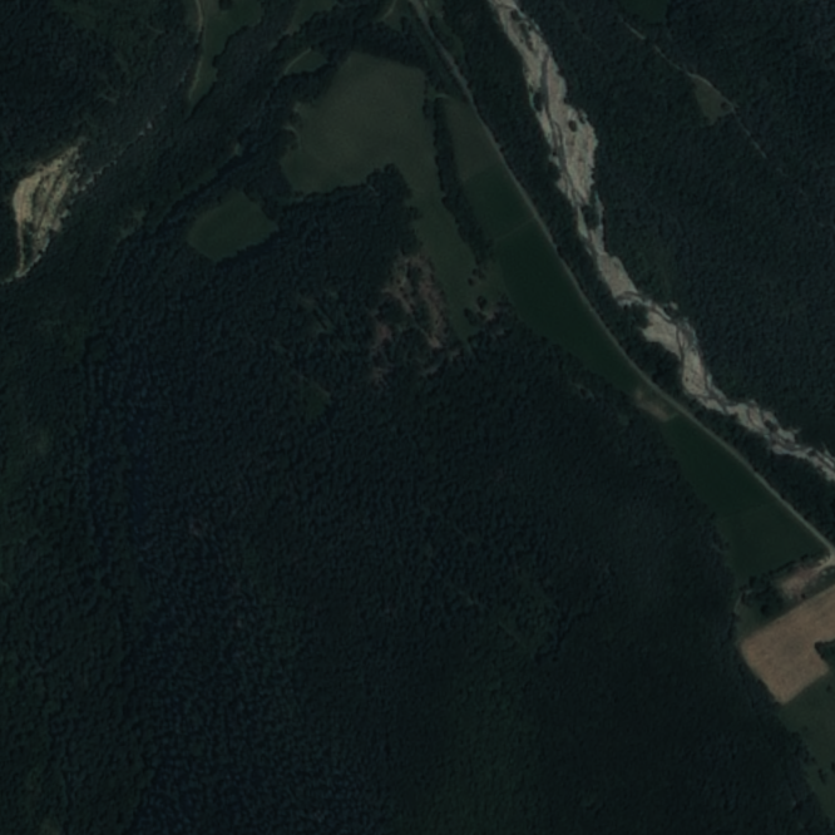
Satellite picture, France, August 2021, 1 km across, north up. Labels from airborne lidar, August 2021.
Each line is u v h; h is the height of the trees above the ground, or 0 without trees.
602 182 6
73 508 19
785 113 8
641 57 7
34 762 10
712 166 7
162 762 14
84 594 30
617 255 7
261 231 0
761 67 13
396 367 16
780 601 6
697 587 22
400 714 26
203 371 27
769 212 8
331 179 0
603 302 20
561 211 17
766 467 17
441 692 20
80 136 10
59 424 18
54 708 29
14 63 13
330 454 28
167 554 29
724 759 27
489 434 24
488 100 19
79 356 6
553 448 27
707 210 9
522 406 26
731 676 19
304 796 12
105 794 25
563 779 20
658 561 15
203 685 15
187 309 27
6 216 19
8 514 18
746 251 11
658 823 24
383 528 27
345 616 26
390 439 26
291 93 16
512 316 18
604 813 23
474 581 23
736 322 11
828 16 13
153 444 30
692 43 14
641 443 15
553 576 21
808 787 11
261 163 25
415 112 0
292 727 10
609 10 13
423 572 19
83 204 11
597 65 11
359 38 21
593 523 20
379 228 18
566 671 27
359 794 17
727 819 25
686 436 0
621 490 21
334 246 23
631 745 19
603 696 20
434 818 13
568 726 24
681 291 7
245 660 18
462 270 0
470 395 25
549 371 20
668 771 22
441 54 13
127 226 10
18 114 23
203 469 28
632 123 10
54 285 20
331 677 24
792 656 0
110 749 28
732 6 12
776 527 0
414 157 0
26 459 13
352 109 0
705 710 21
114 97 8
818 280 12
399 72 0
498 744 17
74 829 26
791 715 0
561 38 12
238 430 31
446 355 17
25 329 13
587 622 25
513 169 16
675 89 11
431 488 23
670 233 7
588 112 8
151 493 26
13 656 19
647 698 22
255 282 27
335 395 27
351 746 19
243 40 13
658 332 0
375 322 23
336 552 26
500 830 17
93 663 30
